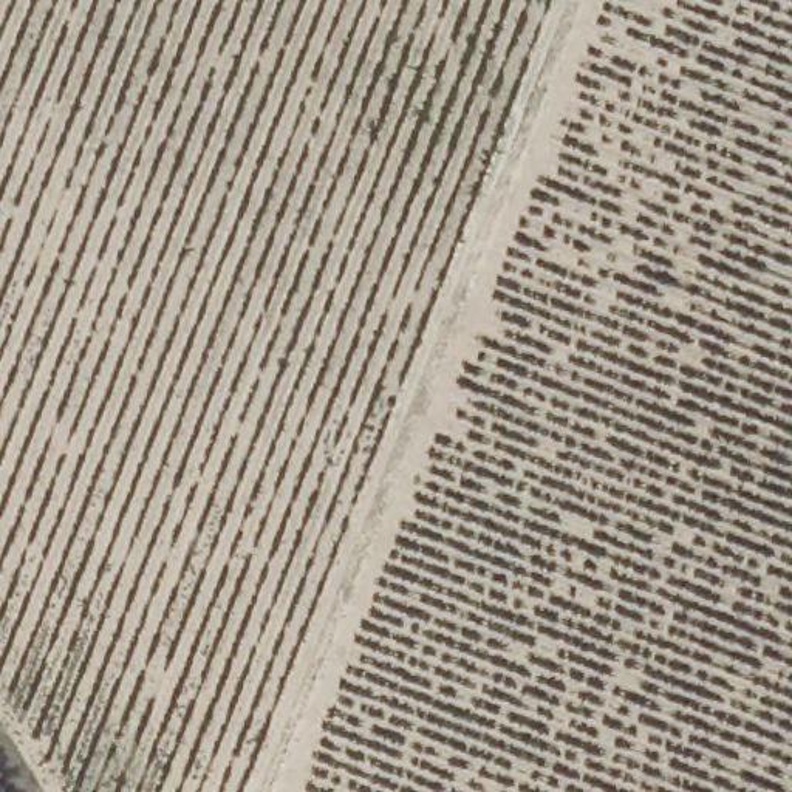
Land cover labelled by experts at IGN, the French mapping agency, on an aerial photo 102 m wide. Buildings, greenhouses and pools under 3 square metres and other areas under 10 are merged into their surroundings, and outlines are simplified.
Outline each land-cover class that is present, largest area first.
<instances>
[{"label":"vineyard","instance_id":"1","mask_svg":"<svg viewBox=\"0 0 792 792\"><path fill-rule=\"evenodd\" d=\"M554 0H0V792H251L248 786L266 746L272 718L282 705L285 687L316 619V609L322 603L340 545L350 532V517H337L334 510L340 498L359 504L362 498L381 442L387 436L396 399L402 396V384L424 343V331L455 263V254L464 241V229L476 207V198L486 186L492 158L501 149L514 102L526 80L529 59L538 46L541 25ZM603 9L631 22V28L616 37L603 34V50L588 46V62L579 65V114L575 121H560L563 145L557 173L535 179L529 207L517 220V238L507 248V257L523 260V266L501 263V272L495 278L492 297L498 300L504 334L483 337L473 362H464L458 377V387L473 393V399H467L455 411L458 421L470 424V430L458 439L436 433L427 452L430 467L415 476V514L411 520L399 523V535L374 585L371 609L356 634L359 659L356 665H347L340 678V690L353 696H337L334 705L325 712L322 739L312 761V773L306 780V792H792V0H606Z\"/></svg>","mask_w":792,"mask_h":792},{"label":"plowed land","instance_id":"2","mask_svg":"<svg viewBox=\"0 0 792 792\"><path fill-rule=\"evenodd\" d=\"M606 0H554L541 25L538 46L529 59L526 80L514 102L501 149L492 158L486 186L476 198V207L464 229V241L455 254V263L424 331V343L402 384V396L396 399L387 436L381 442L362 498L359 504L340 498L334 510L337 517H350V532L340 545L322 603L316 609V619L285 687L282 705L272 718L266 746L248 786L251 792H306V780L312 773V761L322 739L325 712L334 705L337 696H353L340 690V678L347 665H356L359 659L356 634L371 609L374 585L399 535V523L411 520L415 514V476L430 467L427 452L436 433L458 439L470 430V424L458 421L455 411L467 399H473V393L458 387V377L464 362H473L483 337L504 334L498 300L492 297L495 278L501 272V263L523 266V260L507 257V248L517 238V220L529 207L535 179L557 173L563 145L560 121H575L579 114V65L588 62V46L603 50V34L616 37L631 28V22L603 9Z\"/></svg>","mask_w":792,"mask_h":792}]
</instances>
